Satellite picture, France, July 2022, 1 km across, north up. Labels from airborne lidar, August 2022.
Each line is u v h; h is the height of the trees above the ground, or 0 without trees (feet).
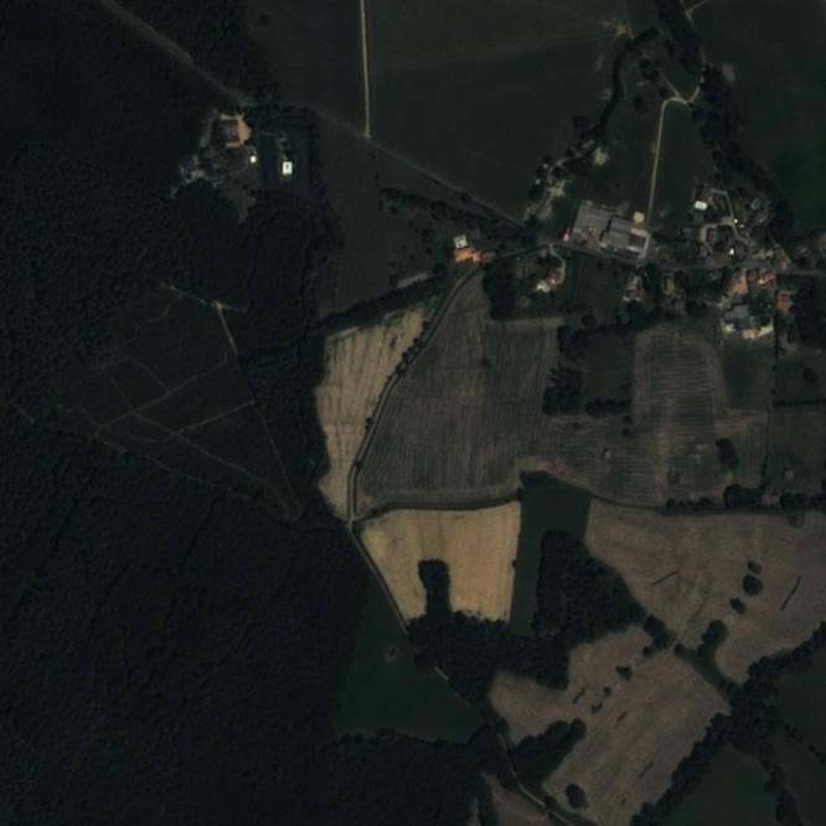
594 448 0
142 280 82
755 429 0
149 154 40
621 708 0
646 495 0
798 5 0
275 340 18
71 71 48
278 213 29
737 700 62
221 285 36
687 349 0
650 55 0
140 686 55
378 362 0
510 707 0
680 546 0
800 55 0
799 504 60
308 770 54
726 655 0
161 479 68
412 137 0
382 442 0
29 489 75
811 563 0
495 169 0
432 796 68
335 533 59
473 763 63
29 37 53
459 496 0
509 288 39
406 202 43
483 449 0
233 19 72
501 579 0
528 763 59
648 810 64
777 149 0
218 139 23
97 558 67
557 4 0
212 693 56
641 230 0
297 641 42
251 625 47
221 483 33
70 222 64
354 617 49
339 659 49
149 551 59
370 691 0
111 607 65
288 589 57
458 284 0
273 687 62
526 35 0
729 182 23
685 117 0
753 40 0
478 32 0
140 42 38
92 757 62
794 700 0
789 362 0
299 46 0
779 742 0
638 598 0
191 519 43
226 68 55
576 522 0
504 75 0
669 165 0
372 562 0
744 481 0
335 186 0
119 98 25
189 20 61
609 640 0
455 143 0
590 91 0
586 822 0
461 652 69
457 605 0
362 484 0
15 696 71
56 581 73
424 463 0
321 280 0
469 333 0
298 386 63
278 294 35
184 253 63
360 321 53
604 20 0
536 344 0
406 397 0
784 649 0
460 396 0
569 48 0
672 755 0
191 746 54
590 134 51
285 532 72
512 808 0
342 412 0
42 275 93
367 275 0
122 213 69
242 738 48
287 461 24
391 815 79
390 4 0
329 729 60
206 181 23
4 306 101
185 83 30
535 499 0
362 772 73
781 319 38
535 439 0
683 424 0
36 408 95
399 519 0
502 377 0
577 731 53
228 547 60
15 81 29
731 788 0
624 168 0
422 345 31
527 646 57
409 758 70
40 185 61
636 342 0
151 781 52
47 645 62
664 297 36
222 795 50
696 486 0
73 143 32
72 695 73
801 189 0
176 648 66
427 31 0
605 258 0
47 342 115
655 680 0
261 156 0
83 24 39
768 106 0
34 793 81
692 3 0
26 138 41
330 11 0
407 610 0
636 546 0
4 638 60
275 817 58
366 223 0
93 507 76
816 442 0
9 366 108
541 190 56
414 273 0
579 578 72
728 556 0
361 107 0
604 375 0
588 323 50
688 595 0
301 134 0
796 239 22
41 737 71
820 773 0
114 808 67
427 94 0
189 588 56
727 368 0
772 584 0
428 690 0
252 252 31
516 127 0
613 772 0
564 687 59
